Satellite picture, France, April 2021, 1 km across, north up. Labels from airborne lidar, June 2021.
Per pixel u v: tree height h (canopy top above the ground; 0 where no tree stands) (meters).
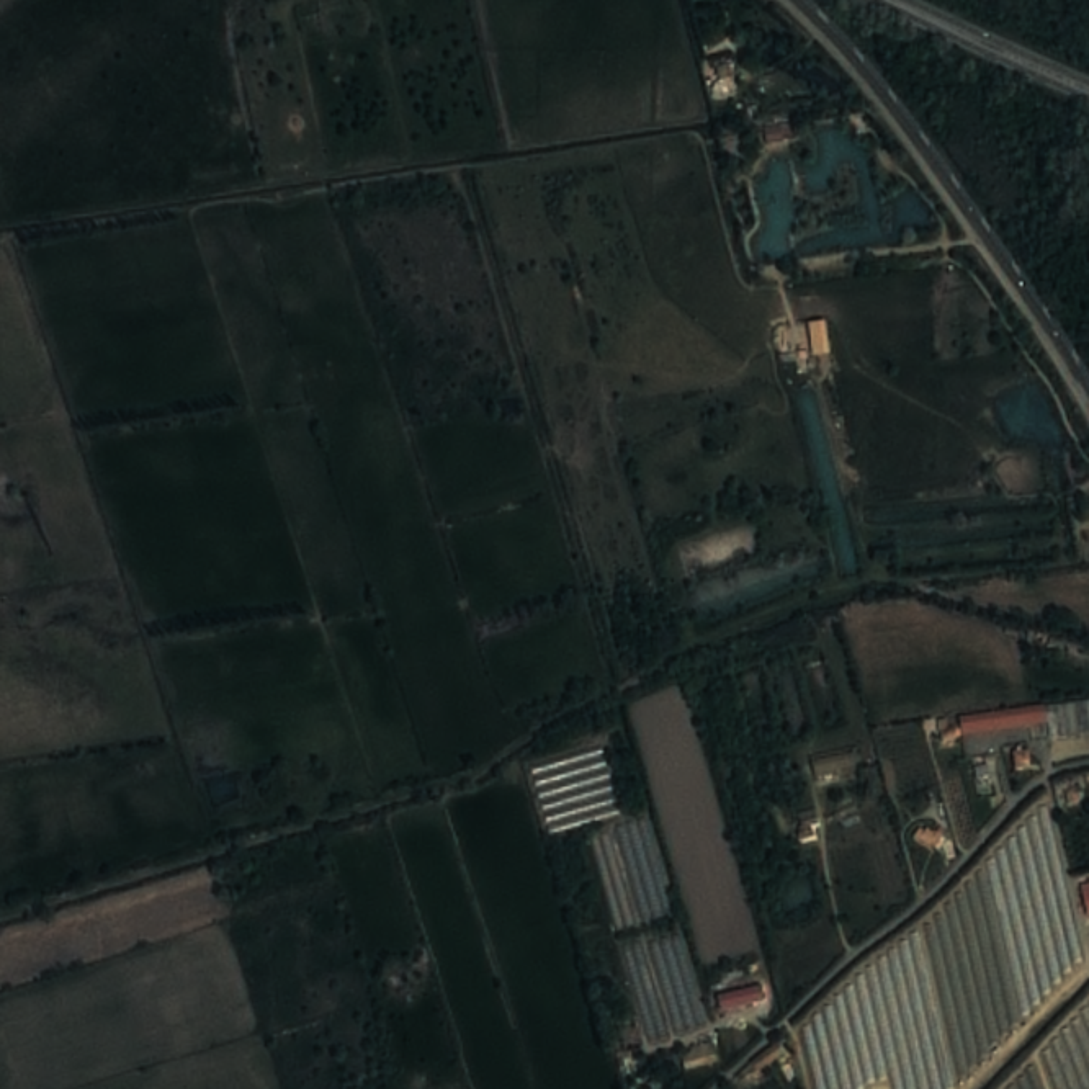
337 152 0
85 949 0
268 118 0
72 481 0
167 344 0
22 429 0
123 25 0
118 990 0
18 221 0
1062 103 9
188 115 0
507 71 0
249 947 0
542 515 0
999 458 0
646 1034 0
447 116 10
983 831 0
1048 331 0
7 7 0
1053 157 20
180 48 0
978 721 0
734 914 0
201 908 0
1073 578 0
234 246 0
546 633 0
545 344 0
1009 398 0
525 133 0
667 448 0
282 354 0
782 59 14
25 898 12
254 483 0
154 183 0
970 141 7
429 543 0
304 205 0
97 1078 0
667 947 0
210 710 0
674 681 10
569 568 0
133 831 0
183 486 0
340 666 0
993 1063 0
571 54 0
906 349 0
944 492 0
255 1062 0
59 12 0
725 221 0
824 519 12
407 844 0
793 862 11
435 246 0
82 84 0
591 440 0
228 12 0
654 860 0
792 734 10
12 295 0
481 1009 0
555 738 14
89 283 0
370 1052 8
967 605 12
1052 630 17
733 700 11
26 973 0
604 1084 0
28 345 0
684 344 0
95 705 0
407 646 0
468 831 0
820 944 0
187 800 0
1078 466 16
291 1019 0
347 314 0
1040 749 0
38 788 0
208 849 0
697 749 0
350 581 0
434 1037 0
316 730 0
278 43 9
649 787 7
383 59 0
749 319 0
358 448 0
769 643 7
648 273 0
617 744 8
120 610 0
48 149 0
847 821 0
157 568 0
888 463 0
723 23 12
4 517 0
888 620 0
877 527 0
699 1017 0
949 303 0
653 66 0
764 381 0
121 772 0
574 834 10
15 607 0
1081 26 16
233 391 0
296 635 0
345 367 0
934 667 0
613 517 0
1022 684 0
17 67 0
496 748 0
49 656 0
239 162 0
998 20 7
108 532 0
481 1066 0
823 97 13
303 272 0
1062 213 22
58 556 0
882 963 0
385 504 0
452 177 0
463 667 0
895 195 10
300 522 0
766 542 10
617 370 0
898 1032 0
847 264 9
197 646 0
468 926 0
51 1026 0
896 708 0
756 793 13
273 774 8
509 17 0
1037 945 0
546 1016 0
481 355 9
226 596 0
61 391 0
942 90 7
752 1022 0
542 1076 0
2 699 0
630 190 0
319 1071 7
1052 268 16
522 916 0
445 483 0
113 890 7
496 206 0
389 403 0
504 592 0
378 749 0
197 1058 0
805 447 0
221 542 0
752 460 0
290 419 0
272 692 0
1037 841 0
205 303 0
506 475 0
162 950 0
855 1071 0
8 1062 0
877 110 17
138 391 0
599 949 0
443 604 0
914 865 0
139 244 0
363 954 10
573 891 15
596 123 0
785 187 0
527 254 0
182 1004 0
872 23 19
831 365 0
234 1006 0
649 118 0
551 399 0
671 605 7
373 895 0
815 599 7
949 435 0
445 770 0
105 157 0
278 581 0
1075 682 0
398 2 0
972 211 0
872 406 0
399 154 0
